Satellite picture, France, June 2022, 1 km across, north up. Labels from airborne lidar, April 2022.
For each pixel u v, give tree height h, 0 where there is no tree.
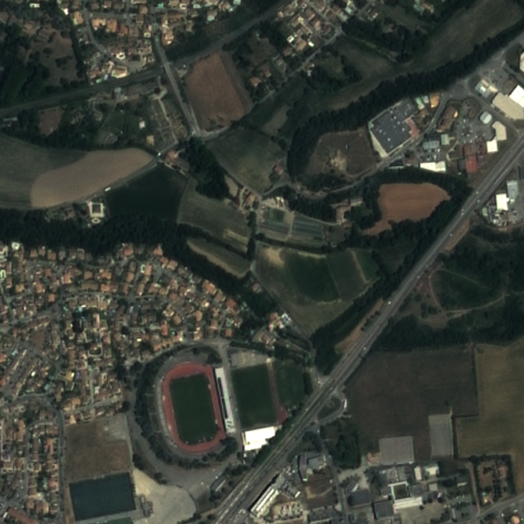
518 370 0
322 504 0
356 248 11
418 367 0
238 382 0
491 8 0
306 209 17
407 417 0
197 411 0
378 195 12
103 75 0
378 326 0
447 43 0
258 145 0
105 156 0
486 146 0
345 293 0
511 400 0
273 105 0
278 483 0
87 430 0
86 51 11
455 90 0
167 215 0
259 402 0
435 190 0
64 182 0
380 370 0
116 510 0
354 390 0
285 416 0
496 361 0
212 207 0
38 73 20
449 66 17
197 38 6
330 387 0
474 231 12
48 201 0
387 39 20
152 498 0
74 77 0
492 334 6
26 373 0
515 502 0
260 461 20
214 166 20
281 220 0
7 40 16
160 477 10
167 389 0
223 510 0
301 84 0
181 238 16
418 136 0
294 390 0
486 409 0
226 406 0
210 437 0
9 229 13
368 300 8
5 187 0
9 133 12
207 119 0
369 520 0
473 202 0
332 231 10
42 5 9
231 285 11
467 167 0
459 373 0
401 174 13
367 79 0
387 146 0
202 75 0
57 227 12
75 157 0
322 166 0
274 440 19
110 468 0
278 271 0
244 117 10
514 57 0
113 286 0
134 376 10
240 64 9
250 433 0
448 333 13
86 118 6
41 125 0
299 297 0
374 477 8
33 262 0
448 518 7
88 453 0
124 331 12
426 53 0
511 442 0
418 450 0
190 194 0
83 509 0
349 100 0
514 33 7
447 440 0
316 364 8
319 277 0
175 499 0
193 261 12
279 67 0
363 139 0
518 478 0
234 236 0
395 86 18
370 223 14
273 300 6
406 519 0
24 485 0
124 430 0
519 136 0
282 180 0
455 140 0
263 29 14
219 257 0
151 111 0
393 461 0
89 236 22
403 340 6
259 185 0
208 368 0
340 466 6
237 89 0
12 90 34
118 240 12
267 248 0
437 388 0
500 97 0
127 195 0
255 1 9
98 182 0
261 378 0
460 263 9
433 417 0
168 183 0
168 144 0
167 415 0
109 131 0
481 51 22
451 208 24
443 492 0
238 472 13
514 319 8
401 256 0
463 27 0
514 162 0
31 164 0
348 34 12
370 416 0
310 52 13
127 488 0
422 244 18
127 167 0
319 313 0
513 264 14
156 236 17
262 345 10
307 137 10
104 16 0
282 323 0
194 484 0
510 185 0
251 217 5
